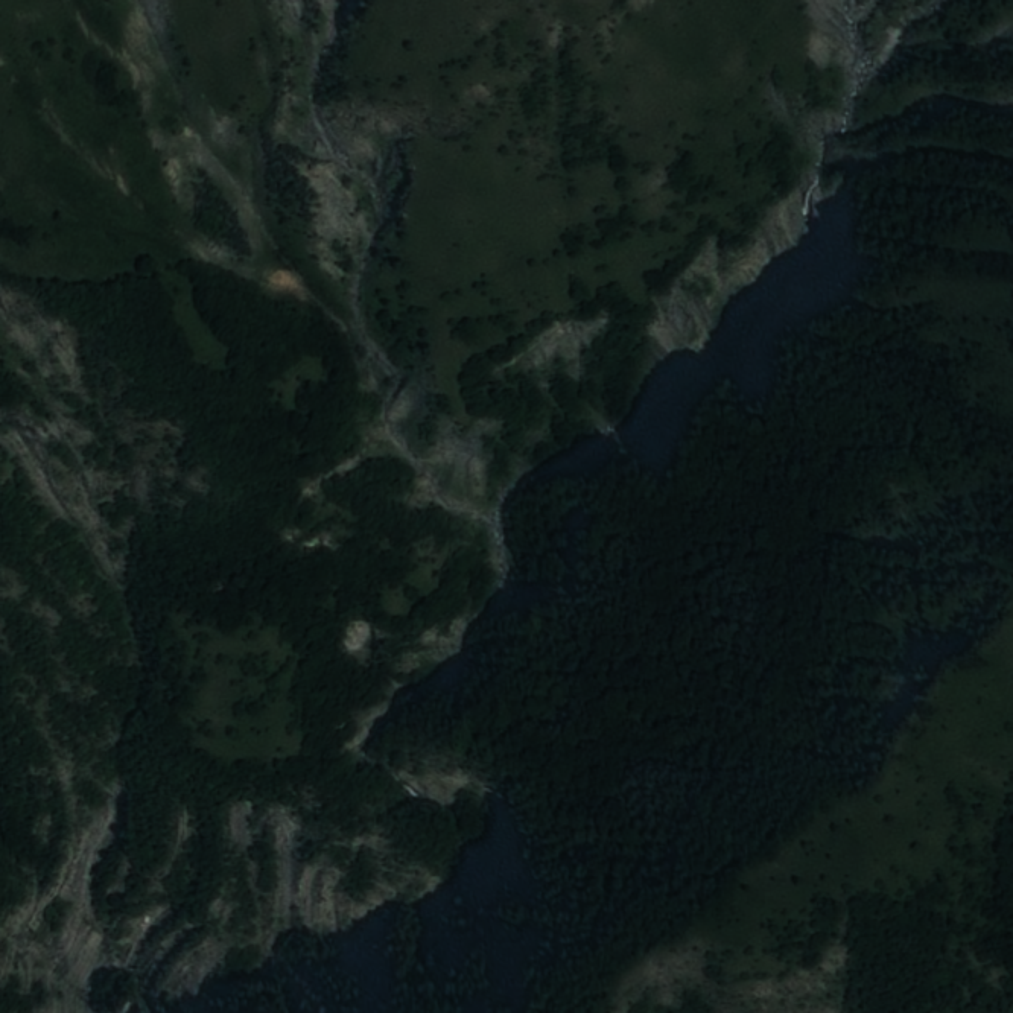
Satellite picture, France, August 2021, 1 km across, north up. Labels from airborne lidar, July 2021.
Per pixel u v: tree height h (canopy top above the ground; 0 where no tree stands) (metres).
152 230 0
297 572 16
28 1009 9
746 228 9
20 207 0
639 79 0
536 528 16
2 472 16
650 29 0
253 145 0
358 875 16
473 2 0
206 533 19
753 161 5
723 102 0
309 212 8
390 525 14
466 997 18
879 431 18
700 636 20
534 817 19
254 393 22
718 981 11
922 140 9
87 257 0
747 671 13
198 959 12
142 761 14
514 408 24
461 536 7
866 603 18
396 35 0
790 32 0
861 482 18
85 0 0
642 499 19
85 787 10
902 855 0
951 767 0
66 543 14
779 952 9
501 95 8
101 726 10
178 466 6
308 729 15
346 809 7
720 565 15
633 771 22
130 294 27
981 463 11
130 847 19
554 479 13
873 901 8
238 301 24
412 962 17
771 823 20
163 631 18
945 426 16
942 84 11
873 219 16
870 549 12
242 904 8
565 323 16
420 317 11
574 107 6
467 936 13
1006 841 21
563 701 18
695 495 21
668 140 0
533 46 8
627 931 27
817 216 0
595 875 22
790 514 17
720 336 13
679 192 10
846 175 8
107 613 17
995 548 9
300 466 20
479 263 0
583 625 16
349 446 20
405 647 15
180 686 14
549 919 23
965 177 15
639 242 0
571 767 21
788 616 19
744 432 17
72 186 0
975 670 15
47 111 0
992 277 9
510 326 8
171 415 13
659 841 22
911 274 11
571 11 0
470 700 24
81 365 9
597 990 9
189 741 7
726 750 22
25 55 0
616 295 18
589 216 0
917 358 12
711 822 23
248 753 0
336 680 19
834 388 16
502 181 0
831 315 18
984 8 7
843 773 18
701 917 7
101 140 0
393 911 15
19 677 12
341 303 0
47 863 19
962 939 12
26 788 7
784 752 20
